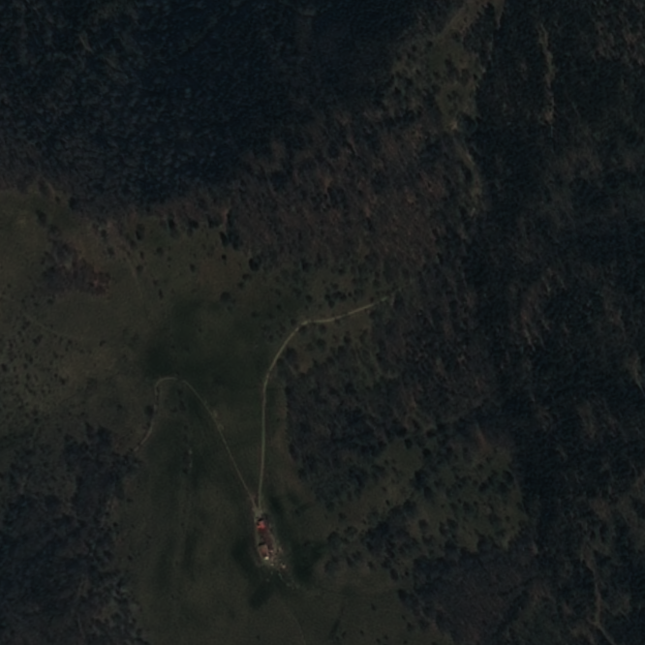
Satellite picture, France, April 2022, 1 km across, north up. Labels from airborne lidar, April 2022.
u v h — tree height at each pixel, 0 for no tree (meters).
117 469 11
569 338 27
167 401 0
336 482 7
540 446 24
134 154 26
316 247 16
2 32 20
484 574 32
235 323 0
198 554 0
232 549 0
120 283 0
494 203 29
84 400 0
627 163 24
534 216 23
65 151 30
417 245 20
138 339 0
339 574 0
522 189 20
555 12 28
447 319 31
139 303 0
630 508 24
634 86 28
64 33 22
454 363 26
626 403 26
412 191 28
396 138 21
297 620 0
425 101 24
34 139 30
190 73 14
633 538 26
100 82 20
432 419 22
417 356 15
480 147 21
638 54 29
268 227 22
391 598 0
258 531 0
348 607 0
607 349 27
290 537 0
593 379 27
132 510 0
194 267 11
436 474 16
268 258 19
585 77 17
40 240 0
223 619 0
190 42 27
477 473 11
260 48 15
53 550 9
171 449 0
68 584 6
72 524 16
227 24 21
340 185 20
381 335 16
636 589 29
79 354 0
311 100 22
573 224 29
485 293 26
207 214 17
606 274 25
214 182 17
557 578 21
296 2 23
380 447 21
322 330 10
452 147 29
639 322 26
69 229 0
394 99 15
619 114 25
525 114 26
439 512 0
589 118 25
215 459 0
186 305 0
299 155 15
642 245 29
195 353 0
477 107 16
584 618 26
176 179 25
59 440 0
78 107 25
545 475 23
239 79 20
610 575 19
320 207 27
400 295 11
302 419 20
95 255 0
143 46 34
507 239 28
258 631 0
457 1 18
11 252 0
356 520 0
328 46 21
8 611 11
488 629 29
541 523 15
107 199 22
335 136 18
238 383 0
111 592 6
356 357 11
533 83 26
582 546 24
